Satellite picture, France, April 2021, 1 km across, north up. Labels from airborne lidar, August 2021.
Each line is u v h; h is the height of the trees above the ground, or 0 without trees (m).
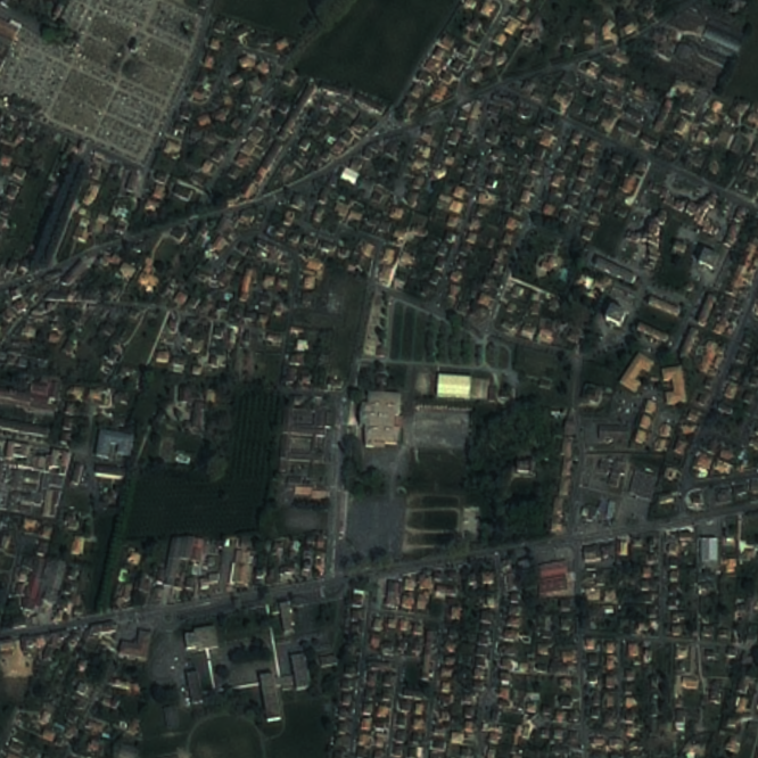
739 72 0
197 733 0
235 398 10
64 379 7
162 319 0
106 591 9
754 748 0
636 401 0
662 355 16
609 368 13
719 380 0
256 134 0
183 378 9
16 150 9
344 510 0
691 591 10
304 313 0
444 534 0
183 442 0
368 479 9
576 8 7
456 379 0
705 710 10
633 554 6
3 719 0
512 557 13
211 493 13
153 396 0
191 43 0
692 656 0
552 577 0
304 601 0
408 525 0
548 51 12
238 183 5
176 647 0
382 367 13
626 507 0
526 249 8
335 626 0
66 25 15
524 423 20
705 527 0
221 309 0
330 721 0
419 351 0
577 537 0
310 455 0
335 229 0
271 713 0
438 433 0
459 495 0
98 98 0
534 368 0
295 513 0
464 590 7
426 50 0
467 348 10
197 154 8
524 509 26
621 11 13
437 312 0
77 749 15
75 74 0
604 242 0
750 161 8
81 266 0
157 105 0
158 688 14
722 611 15
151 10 0
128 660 7
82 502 0
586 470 0
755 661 11
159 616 0
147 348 0
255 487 9
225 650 0
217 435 13
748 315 0
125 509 13
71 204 16
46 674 9
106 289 9
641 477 0
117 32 0
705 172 8
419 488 0
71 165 16
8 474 0
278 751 0
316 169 6
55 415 6
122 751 0
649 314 0
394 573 0
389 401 0
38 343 10
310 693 14
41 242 18
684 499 0
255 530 5
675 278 0
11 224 9
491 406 0
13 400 0
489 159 6
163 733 0
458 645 6
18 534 0
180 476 9
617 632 7
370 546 0
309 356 8
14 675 0
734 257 8
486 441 12
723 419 14
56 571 0
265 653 14
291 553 9
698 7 0
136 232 13
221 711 19
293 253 0
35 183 0
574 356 0
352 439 14
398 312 0
